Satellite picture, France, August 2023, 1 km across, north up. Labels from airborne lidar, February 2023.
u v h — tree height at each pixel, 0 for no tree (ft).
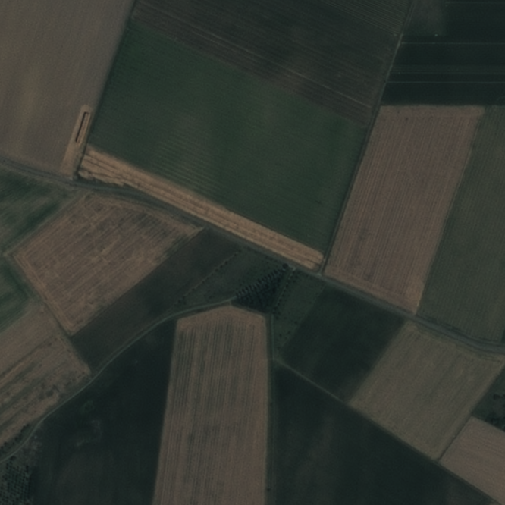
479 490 0
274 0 0
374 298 0
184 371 0
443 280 0
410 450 0
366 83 0
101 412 0
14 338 0
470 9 0
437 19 0
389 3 0
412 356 0
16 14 0
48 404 0
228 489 0
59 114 0
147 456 0
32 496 26
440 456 0
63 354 0
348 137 0
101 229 0
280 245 0
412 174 0
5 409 0
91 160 0
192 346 0
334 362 0
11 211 0
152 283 0
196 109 0
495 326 0
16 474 26
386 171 0
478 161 0
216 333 0
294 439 0
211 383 0
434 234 0
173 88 0
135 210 0
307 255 0
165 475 0
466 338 0
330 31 0
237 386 0
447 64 0
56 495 0
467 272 0
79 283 0
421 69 0
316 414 0
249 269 0
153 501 0
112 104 0
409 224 0
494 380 0
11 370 0
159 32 0
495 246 0
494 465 0
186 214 0
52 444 0
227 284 0
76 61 0
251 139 0
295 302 0
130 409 0
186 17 0
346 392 0
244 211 0
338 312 0
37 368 0
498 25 0
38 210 0
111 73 0
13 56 0
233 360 0
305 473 0
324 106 0
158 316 0
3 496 26
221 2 0
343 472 0
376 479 0
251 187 0
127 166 0
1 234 0
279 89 0
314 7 0
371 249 0
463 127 0
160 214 0
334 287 0
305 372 0
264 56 0
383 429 0
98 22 0
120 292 0
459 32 0
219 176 0
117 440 0
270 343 0
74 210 0
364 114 0
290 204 0
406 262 0
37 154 0
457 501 0
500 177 0
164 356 0
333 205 0
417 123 0
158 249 0
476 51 0
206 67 0
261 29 0
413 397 0
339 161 0
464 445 0
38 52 0
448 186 0
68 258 0
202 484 0
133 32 0
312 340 0
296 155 0
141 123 0
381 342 0
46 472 0
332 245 0
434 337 0
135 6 0
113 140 0
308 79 0
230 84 0
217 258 0
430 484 0
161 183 0
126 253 0
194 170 0
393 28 0
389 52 0
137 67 0
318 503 0
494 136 0
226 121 0
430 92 0
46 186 0
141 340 0
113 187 0
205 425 0
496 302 0
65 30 0
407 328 0
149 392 0
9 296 0
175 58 0
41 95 0
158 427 0
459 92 0
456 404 0
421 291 0
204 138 0
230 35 0
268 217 0
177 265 0
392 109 0
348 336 0
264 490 0
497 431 0
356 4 0
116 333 0
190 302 0
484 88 0
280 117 0
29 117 0
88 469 0
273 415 0
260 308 26
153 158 0
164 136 0
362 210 0
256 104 0
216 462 0
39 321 0
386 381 0
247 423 0
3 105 0
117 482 0
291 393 0
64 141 0
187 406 0
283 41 0
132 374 0
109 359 0
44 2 0
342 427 0
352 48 0
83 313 0
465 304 0
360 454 0
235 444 0
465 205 0
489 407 0
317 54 0
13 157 0
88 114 0
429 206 0
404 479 0
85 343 0
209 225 0
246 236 0
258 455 0
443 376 0
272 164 0
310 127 0
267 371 0
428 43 0
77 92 0
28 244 0
